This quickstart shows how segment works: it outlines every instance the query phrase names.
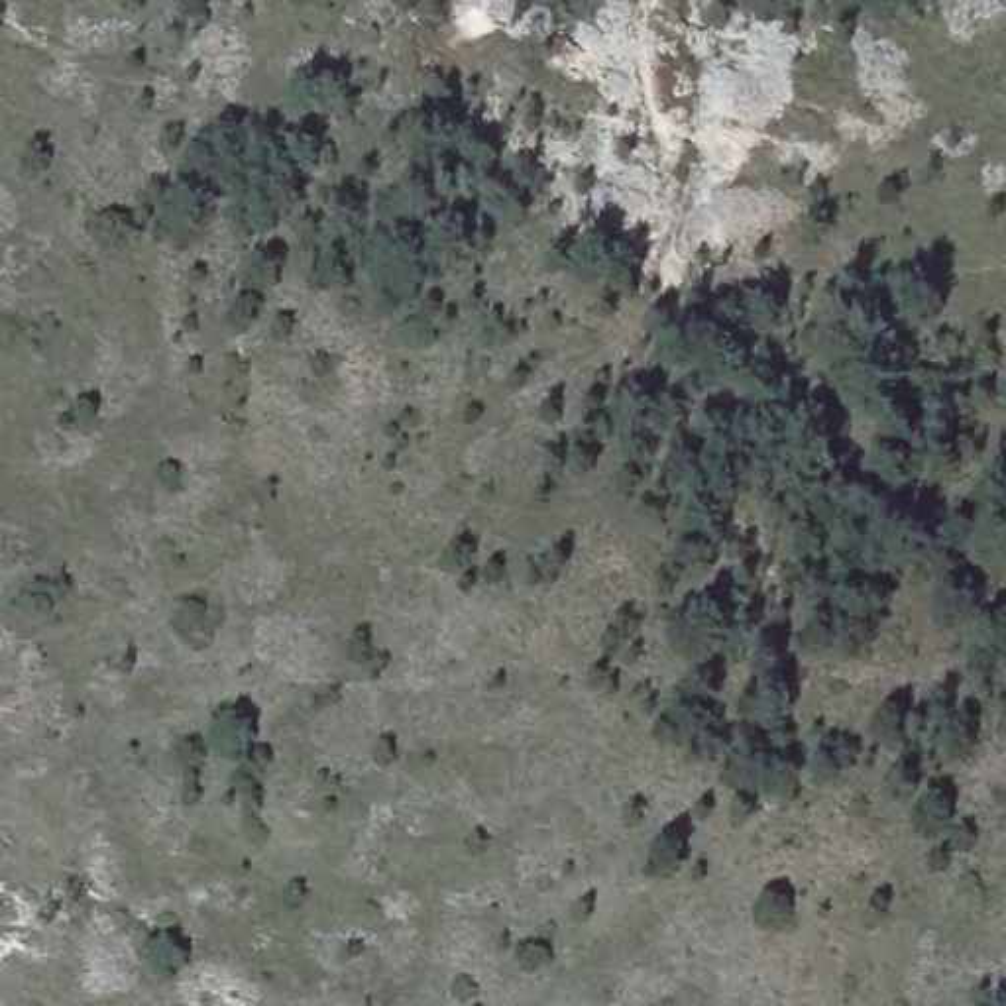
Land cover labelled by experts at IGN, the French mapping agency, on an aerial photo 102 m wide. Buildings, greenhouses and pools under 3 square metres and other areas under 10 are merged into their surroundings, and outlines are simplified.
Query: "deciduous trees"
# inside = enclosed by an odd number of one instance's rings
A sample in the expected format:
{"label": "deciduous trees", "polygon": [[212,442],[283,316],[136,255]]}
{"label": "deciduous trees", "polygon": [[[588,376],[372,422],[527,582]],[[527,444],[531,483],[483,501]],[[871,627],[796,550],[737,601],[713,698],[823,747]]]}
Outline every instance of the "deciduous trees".
{"label": "deciduous trees", "polygon": [[825,813],[825,821],[841,813],[865,817],[868,810],[900,821],[912,817],[916,833],[927,837],[927,865],[947,868],[951,853],[971,849],[978,837],[978,821],[959,810],[955,778],[978,751],[982,711],[998,711],[1006,719],[1006,310],[990,314],[986,326],[978,318],[963,326],[947,322],[943,307],[955,279],[951,240],[935,240],[931,248],[908,259],[880,259],[872,240],[865,240],[853,263],[845,263],[833,279],[806,271],[790,279],[786,267],[774,267],[766,275],[747,275],[731,283],[696,275],[692,283],[684,283],[668,287],[660,283],[660,275],[644,271],[648,224],[629,228],[617,204],[582,208],[582,216],[570,224],[546,252],[546,271],[566,271],[589,283],[609,310],[617,310],[621,299],[633,299],[637,287],[652,291],[656,307],[644,318],[637,350],[621,365],[597,369],[586,393],[582,428],[550,440],[538,495],[550,503],[550,495],[566,479],[566,468],[589,472],[601,456],[601,444],[613,436],[625,444],[625,472],[617,475],[621,495],[637,507],[652,507],[652,519],[676,542],[656,570],[656,605],[648,605],[641,617],[664,621],[672,648],[684,656],[692,672],[684,672],[676,688],[656,688],[652,680],[633,684],[633,696],[656,719],[656,739],[684,747],[696,762],[719,766],[723,782],[751,813],[762,798],[782,798],[813,806],[817,813]]}

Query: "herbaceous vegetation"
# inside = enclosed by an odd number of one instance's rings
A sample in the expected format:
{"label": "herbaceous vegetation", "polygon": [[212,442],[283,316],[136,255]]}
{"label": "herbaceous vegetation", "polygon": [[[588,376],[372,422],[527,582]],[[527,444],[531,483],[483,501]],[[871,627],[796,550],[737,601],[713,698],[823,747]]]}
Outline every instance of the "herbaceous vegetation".
{"label": "herbaceous vegetation", "polygon": [[1006,719],[998,711],[982,711],[978,751],[955,778],[959,810],[978,821],[978,837],[971,849],[951,853],[947,868],[927,865],[927,837],[916,833],[912,817],[900,821],[868,810],[865,817],[841,813],[825,821],[825,813],[817,813],[813,806],[782,798],[762,798],[751,813],[723,782],[719,766],[696,762],[684,747],[656,739],[656,719],[633,696],[633,684],[652,680],[656,688],[676,688],[684,672],[692,672],[684,656],[672,648],[664,621],[641,617],[648,605],[656,605],[656,570],[676,542],[652,519],[652,507],[637,507],[621,495],[617,475],[625,472],[625,444],[613,436],[601,444],[601,456],[589,472],[566,468],[566,479],[550,495],[550,503],[538,495],[550,440],[582,428],[586,393],[597,369],[621,365],[637,350],[644,318],[656,307],[652,291],[637,287],[633,299],[621,299],[617,310],[609,310],[589,283],[566,271],[546,271],[546,252],[570,224],[562,220],[562,196],[554,196],[550,189],[554,177],[546,165],[546,138],[582,134],[589,114],[597,110],[601,90],[589,79],[570,79],[554,71],[550,55],[574,51],[578,24],[589,20],[605,0],[475,0],[487,12],[491,31],[472,39],[456,28],[460,0],[0,0],[0,880],[35,904],[24,951],[0,963],[0,1006],[1006,1006]]}
{"label": "herbaceous vegetation", "polygon": [[774,149],[755,145],[743,169],[731,177],[735,189],[774,189],[806,212],[794,224],[762,232],[758,244],[727,240],[723,248],[696,248],[684,283],[692,283],[696,275],[731,283],[747,275],[766,275],[774,267],[786,267],[790,279],[806,271],[833,279],[845,263],[853,263],[865,240],[872,240],[880,259],[908,259],[931,248],[935,240],[951,240],[955,279],[943,307],[947,322],[963,326],[978,318],[986,326],[990,314],[1006,310],[1006,0],[696,0],[703,8],[707,28],[751,28],[755,20],[774,20],[782,24],[782,31],[794,35],[794,94],[790,106],[766,122],[766,130],[778,138],[821,141],[829,145],[837,165],[829,173],[810,169],[810,161],[782,165]]}

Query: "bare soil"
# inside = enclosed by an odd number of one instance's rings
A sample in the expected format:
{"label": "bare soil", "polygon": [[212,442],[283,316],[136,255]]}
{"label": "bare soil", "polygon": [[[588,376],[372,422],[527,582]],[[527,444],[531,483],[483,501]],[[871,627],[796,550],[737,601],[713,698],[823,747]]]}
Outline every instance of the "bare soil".
{"label": "bare soil", "polygon": [[35,904],[0,880],[0,963],[24,951]]}
{"label": "bare soil", "polygon": [[570,79],[589,79],[601,90],[597,110],[589,114],[582,134],[546,138],[546,165],[554,177],[550,189],[554,196],[562,196],[562,220],[570,224],[582,216],[582,208],[617,204],[629,228],[648,224],[644,271],[660,275],[660,283],[668,287],[684,283],[696,248],[723,248],[727,240],[758,244],[762,232],[794,224],[806,212],[774,189],[735,189],[731,177],[743,169],[755,145],[774,149],[782,165],[810,161],[810,169],[829,173],[837,165],[829,145],[821,141],[778,138],[766,130],[766,122],[790,106],[794,94],[794,35],[782,31],[782,24],[774,20],[755,20],[751,28],[707,28],[703,8],[696,0],[605,0],[589,20],[578,24],[574,51],[550,55],[554,71]]}
{"label": "bare soil", "polygon": [[472,39],[491,31],[487,12],[475,0],[460,0],[456,28]]}

